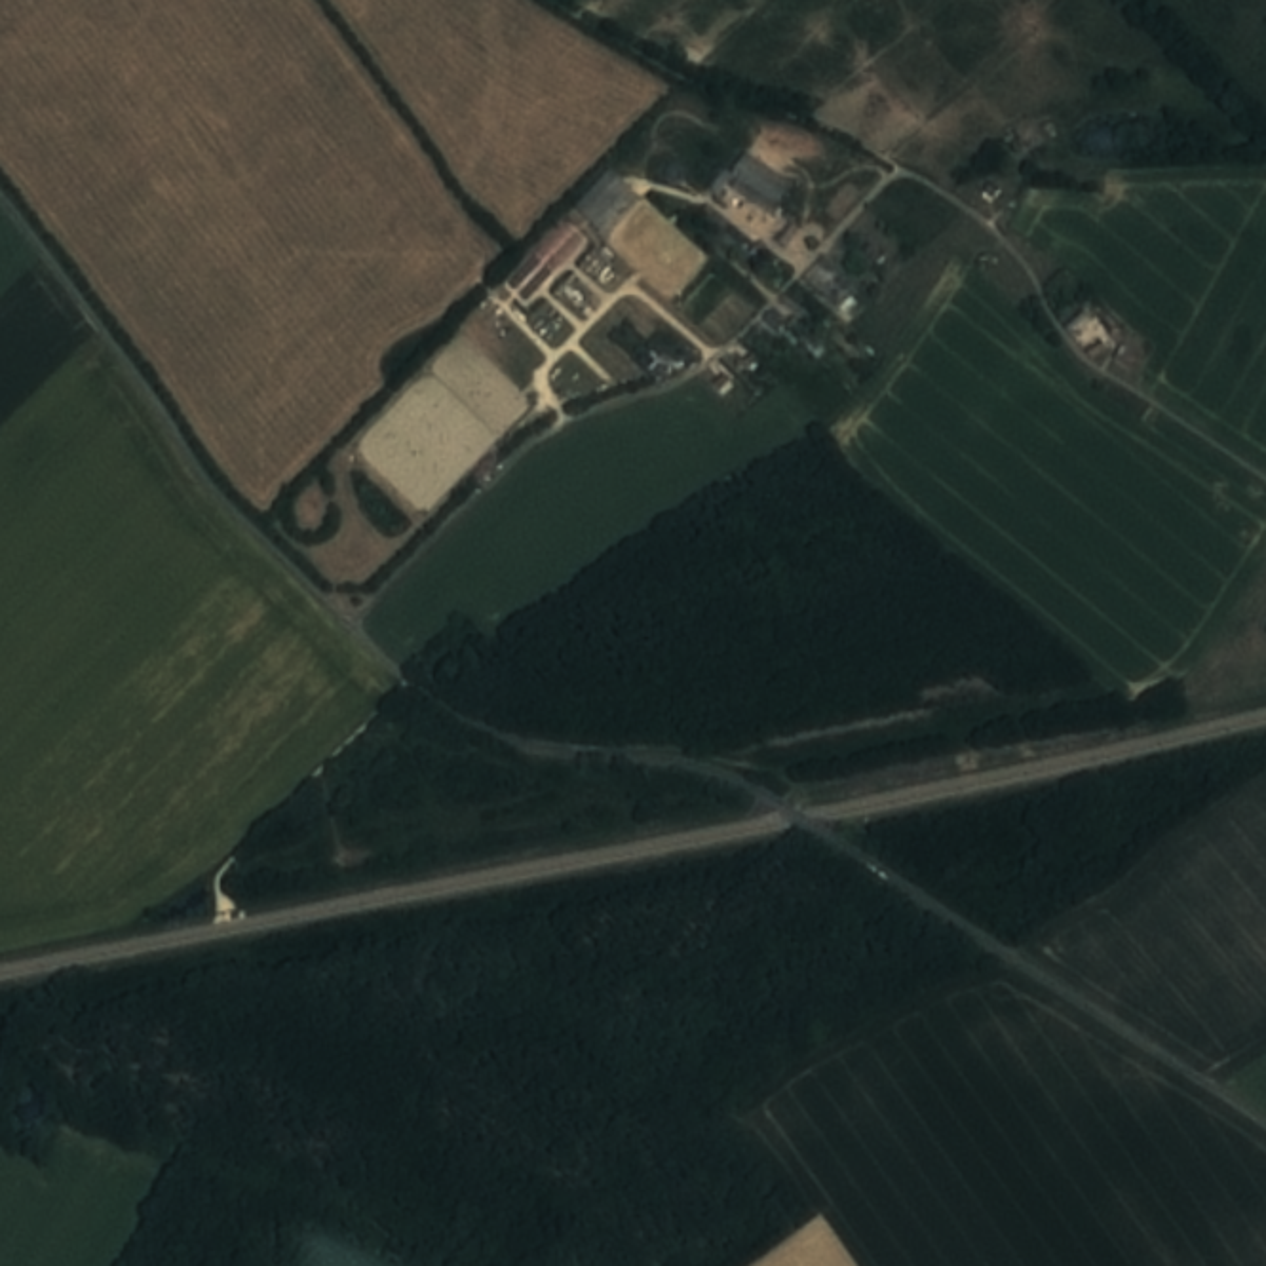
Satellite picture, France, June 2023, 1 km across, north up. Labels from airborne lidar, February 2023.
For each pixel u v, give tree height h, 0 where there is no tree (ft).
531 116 0
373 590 25
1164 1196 0
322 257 0
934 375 0
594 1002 73
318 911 0
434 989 67
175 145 0
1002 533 0
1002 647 65
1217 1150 0
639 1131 67
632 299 0
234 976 52
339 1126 66
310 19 0
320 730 0
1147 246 0
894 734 0
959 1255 0
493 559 0
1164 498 0
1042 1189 0
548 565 0
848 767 41
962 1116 0
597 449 0
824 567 57
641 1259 73
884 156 0
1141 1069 0
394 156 0
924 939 70
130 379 0
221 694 0
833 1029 67
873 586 64
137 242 0
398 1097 67
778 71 0
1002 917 37
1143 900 0
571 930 58
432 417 0
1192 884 0
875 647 69
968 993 0
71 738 0
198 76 0
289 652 0
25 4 0
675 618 60
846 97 0
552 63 0
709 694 68
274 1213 85
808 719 54
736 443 0
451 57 0
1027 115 0
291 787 0
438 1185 58
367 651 0
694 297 0
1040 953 0
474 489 23
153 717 0
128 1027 66
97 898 0
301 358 0
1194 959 0
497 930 64
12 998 20
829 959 56
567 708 80
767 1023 49
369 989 63
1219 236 0
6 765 0
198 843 0
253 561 0
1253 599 0
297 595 0
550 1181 65
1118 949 0
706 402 0
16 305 0
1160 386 0
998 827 35
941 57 0
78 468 0
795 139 0
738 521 69
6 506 0
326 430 0
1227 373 0
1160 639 0
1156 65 0
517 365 0
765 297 0
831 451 59
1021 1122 0
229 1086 70
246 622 0
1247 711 0
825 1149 0
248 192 0
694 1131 65
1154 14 55
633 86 0
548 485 0
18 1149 57
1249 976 0
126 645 0
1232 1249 0
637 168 0
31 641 0
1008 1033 0
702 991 75
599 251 0
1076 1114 0
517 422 0
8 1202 0
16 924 0
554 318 0
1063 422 0
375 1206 74
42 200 0
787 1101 0
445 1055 77
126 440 0
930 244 0
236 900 21
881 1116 0
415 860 29
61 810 0
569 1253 59
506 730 46
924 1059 0
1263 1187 0
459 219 0
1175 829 25
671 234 0
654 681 73
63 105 0
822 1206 0
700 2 0
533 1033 74
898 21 0
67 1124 30
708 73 41
